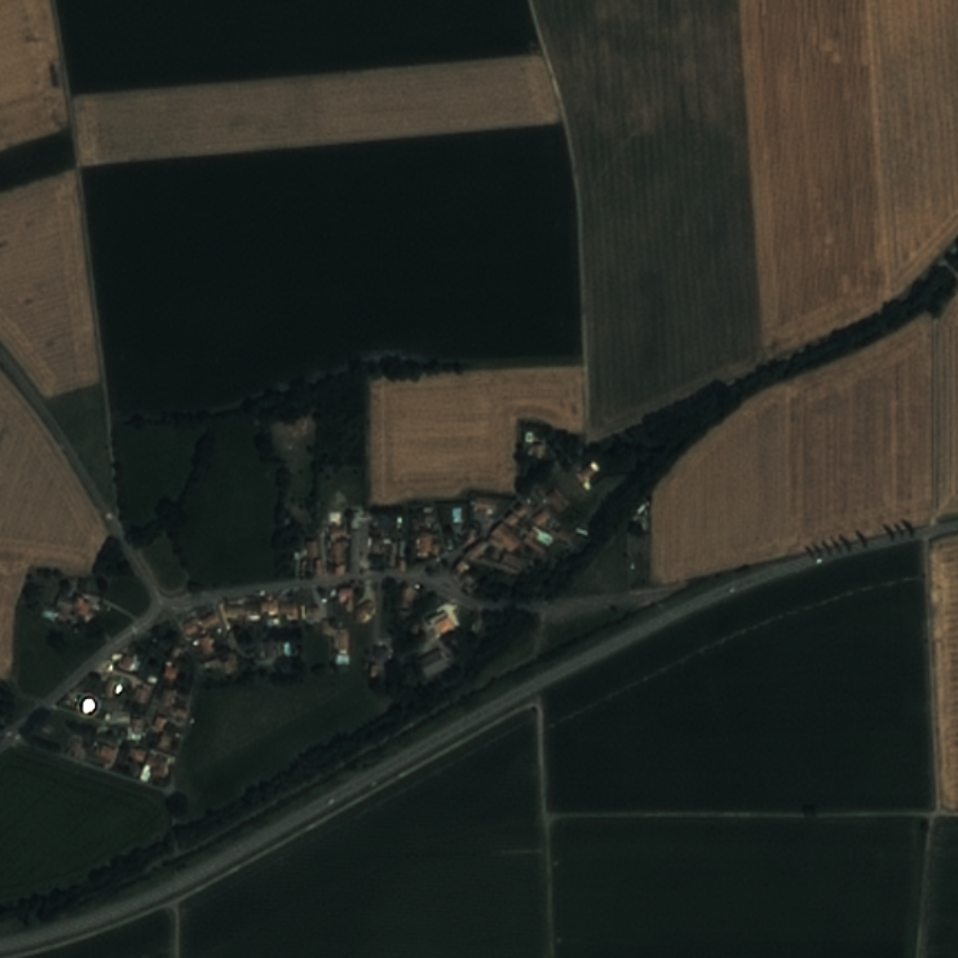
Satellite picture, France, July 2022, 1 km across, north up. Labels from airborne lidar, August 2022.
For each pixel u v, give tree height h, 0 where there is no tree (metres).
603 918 0
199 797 0
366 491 0
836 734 0
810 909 0
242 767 0
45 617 0
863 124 0
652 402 0
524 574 9
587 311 0
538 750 0
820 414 0
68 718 0
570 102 0
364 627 0
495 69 0
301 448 0
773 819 0
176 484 0
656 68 0
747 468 0
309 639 0
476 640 15
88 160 0
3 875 0
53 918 10
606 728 0
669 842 0
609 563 0
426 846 0
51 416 0
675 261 0
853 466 0
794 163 0
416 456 0
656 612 0
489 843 0
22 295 0
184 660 8
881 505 0
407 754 0
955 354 0
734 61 0
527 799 0
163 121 0
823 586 0
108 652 0
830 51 0
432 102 0
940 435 0
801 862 0
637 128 0
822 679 0
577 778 0
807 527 0
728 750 0
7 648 0
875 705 0
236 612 0
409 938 0
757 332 0
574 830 0
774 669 0
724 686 0
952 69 0
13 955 0
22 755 0
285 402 14
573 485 0
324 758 16
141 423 15
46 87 0
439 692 9
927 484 0
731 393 32
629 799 0
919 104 0
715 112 0
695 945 0
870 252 0
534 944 0
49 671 0
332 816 0
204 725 0
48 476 0
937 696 0
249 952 0
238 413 7
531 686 0
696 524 0
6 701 8
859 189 0
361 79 0
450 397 0
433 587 0
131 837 0
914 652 0
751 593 0
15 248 0
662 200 0
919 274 0
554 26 0
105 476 0
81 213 0
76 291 0
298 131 0
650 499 6
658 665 0
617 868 0
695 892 0
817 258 0
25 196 0
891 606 0
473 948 0
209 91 0
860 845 0
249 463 0
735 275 0
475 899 0
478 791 0
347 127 0
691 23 0
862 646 0
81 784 0
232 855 0
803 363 7
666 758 0
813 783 0
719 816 0
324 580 0
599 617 0
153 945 0
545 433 12
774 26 0
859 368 0
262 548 0
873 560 0
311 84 0
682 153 0
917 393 0
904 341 0
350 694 0
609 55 0
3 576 0
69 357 0
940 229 0
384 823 0
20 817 0
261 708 0
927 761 0
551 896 0
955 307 0
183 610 0
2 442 0
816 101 0
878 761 0
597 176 0
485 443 0
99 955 0
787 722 0
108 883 12
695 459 0
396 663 12
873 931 0
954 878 0
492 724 0
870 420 0
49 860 0
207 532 0
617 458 15
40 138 0
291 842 0
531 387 0
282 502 7
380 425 0
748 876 0
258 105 0
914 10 0
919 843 0
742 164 0
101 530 0
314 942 0
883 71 0
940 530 0
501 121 0
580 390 0
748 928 0
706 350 0
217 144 0
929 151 0
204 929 0
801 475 0
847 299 0
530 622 16
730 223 0
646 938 0
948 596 0
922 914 0
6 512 0
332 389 7
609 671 0
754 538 0
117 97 0
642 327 0
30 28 0
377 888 0
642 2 0
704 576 0
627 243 0
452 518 0
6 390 0
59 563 0
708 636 0
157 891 0
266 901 0
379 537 9
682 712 0
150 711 0
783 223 0
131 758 6
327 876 0
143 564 0
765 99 0
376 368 18
